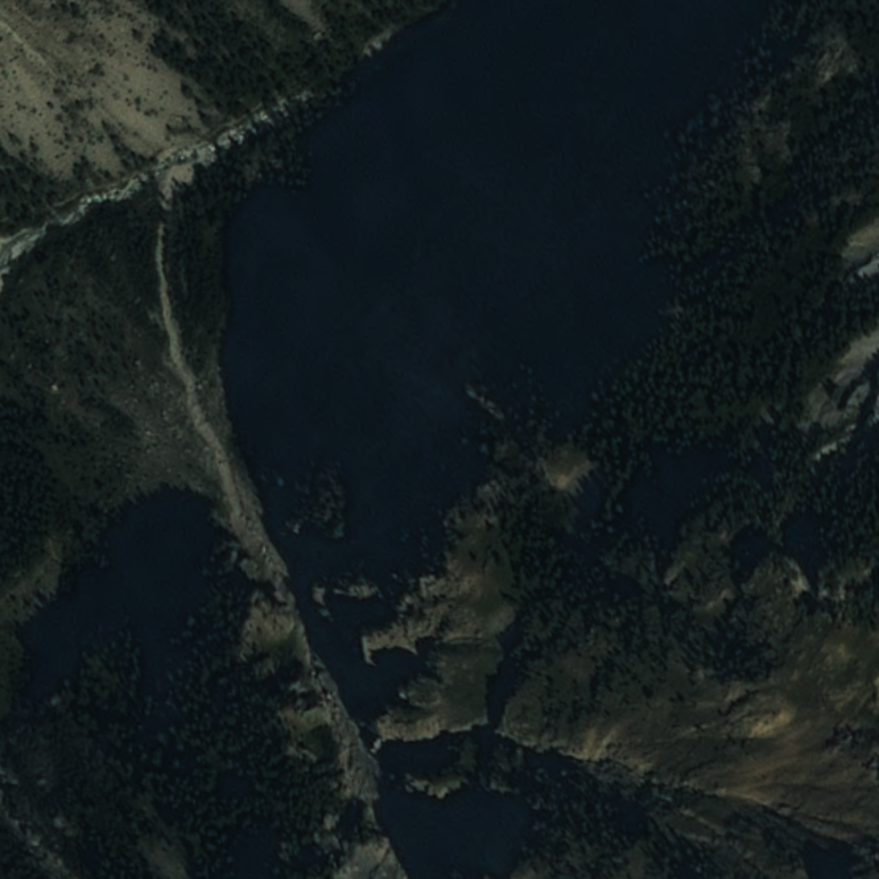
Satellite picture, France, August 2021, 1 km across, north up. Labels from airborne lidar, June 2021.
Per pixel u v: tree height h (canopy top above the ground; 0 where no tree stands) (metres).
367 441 14
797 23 14
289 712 10
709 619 0
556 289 6
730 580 0
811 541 16
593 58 6
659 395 16
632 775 0
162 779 26
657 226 9
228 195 12
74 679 18
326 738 5
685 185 8
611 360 8
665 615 6
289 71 19
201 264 6
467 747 0
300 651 0
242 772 9
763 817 0
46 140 0
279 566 0
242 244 8
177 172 0
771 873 0
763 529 8
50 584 0
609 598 8
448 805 0
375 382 0
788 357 24
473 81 9
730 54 18
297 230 0
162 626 8
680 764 0
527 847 7
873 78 13
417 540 6
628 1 8
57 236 6
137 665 22
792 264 6
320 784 16
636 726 0
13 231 13
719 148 9
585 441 16
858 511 19
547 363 8
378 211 0
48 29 0
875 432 0
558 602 10
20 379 8
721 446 11
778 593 0
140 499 0
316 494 12
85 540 21
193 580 9
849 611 9
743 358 24
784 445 15
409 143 7
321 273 0
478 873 0
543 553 10
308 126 24
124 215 6
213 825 25
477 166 0
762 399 18
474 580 0
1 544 9
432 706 0
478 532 0
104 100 0
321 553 6
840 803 0
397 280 0
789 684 0
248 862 16
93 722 14
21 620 0
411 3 25
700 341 15
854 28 12
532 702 0
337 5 24
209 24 23
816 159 10
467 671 0
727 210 10
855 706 0
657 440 25
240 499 0
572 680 0
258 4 0
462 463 7
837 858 0
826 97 16
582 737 0
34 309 0
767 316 5
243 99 7
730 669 6
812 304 6
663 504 12
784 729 0
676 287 10
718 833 0
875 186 13
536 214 0
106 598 7
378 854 0
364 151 0
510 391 8
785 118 8
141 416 0
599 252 0
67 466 6
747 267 18
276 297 6
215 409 0
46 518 16
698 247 15
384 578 8
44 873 9
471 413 13
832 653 0
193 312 6
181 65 30
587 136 16
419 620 8
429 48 18
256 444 16
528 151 8
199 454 0
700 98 8
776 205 7
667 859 14
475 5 23
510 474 7
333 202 18
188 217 6
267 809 20
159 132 0
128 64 0
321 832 6
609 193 0
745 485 15
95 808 8
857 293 7
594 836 11
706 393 22
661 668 8
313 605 6
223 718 16
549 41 8
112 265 6
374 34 7
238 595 6
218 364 0
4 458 26
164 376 0
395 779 7
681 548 8
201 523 12
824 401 0
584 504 0
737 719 0
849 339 22
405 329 0
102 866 24
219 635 16
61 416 0
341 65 11
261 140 7
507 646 0
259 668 12
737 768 0
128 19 0
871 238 0
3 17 0
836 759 0
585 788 13
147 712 23
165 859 0
